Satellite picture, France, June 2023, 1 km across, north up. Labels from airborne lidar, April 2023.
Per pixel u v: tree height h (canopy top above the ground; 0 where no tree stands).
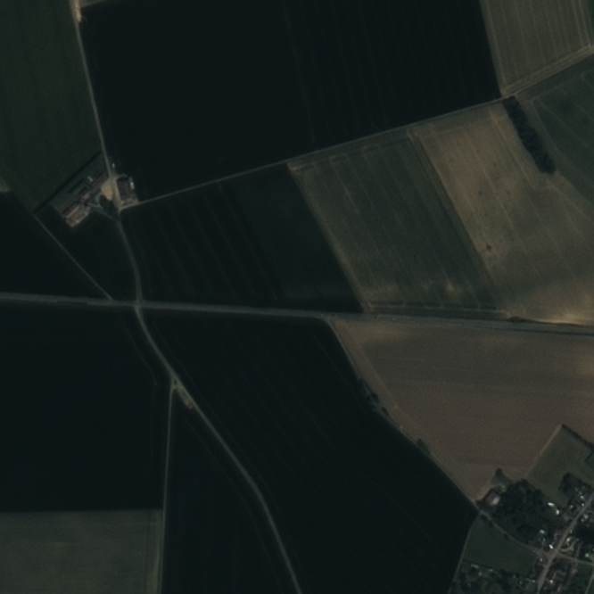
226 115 0
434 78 0
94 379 0
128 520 0
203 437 0
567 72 0
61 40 0
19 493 0
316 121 0
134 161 0
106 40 0
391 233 0
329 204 0
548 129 0
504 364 0
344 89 0
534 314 0
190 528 0
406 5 0
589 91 0
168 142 0
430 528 0
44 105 0
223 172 0
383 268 0
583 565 0
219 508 0
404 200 0
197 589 0
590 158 0
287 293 0
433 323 0
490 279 0
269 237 0
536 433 0
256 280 0
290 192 0
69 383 0
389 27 0
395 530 0
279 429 0
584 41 0
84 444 0
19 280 0
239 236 0
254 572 0
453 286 0
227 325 0
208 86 0
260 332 0
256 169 0
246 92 0
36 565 0
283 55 0
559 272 0
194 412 0
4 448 0
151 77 0
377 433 0
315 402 0
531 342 0
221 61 0
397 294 0
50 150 0
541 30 0
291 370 0
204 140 0
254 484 0
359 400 0
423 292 0
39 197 0
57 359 0
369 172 0
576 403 0
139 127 0
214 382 0
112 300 0
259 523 0
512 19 0
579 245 0
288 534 0
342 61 0
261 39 0
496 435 0
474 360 0
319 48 0
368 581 0
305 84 0
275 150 0
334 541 0
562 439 0
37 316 0
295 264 0
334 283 0
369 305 0
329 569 0
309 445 0
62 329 0
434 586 0
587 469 0
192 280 0
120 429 0
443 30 0
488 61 0
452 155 0
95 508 0
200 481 0
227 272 0
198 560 0
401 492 0
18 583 0
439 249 0
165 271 0
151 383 0
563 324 0
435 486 0
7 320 0
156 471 0
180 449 0
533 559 0
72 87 0
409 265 0
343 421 0
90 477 0
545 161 12
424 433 0
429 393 0
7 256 0
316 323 0
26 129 0
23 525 0
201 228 0
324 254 0
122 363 0
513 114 10
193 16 0
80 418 0
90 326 0
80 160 0
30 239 0
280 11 0
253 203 0
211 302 0
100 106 0
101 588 0
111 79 0
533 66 0
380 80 0
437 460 0
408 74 0
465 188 0
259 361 0
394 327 0
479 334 0
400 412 0
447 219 0
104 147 0
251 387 0
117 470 0
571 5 0
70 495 0
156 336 0
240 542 0
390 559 0
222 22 0
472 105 0
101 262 0
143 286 0
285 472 0
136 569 0
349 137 0
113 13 0
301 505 0
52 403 0
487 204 0
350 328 0
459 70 0
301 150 0
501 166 0
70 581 0
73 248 0
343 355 0
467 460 0
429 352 0
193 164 0
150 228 0
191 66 0
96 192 0
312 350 0
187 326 0
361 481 0
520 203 0
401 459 0
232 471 0
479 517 0
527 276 0
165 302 0
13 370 0
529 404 0
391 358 0
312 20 0
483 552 0
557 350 0
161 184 0
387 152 0
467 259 0
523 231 0
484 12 0
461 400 0
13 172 0
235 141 0
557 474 0
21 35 0
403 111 0
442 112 0
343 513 0
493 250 0
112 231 0
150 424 0
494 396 0
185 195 0
